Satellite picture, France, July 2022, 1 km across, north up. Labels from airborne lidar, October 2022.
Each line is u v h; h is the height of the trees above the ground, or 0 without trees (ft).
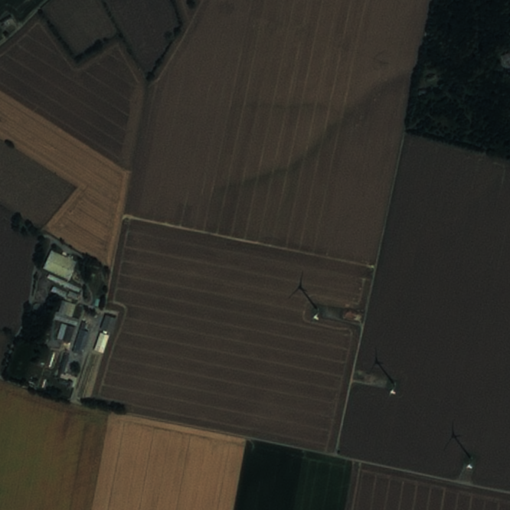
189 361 0
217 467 0
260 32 0
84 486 0
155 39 0
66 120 0
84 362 0
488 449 0
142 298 0
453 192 0
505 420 0
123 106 0
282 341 0
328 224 0
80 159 0
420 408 0
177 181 0
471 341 0
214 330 0
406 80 0
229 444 0
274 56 0
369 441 0
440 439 0
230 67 0
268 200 0
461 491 0
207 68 0
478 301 0
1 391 0
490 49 81
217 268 0
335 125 0
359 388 0
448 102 32
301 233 0
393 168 0
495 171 0
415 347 0
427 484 0
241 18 0
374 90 0
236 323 0
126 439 0
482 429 0
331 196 0
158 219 0
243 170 0
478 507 0
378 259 0
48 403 0
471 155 0
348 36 0
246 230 0
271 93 0
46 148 0
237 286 0
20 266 0
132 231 0
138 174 0
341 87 0
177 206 0
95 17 0
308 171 0
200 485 0
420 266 0
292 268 0
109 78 0
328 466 0
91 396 0
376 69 0
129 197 0
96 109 0
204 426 0
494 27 65
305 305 0
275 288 0
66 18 0
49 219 0
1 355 0
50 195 0
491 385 0
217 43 0
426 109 29
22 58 0
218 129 0
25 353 0
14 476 0
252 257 0
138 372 0
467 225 0
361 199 0
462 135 27
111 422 0
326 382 0
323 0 0
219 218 0
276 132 0
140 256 0
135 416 0
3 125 0
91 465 0
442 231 0
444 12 73
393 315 0
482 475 0
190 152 0
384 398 0
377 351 0
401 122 0
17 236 0
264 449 0
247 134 0
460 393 0
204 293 0
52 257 0
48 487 0
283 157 0
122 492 0
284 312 0
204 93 0
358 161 0
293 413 0
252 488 0
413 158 0
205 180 0
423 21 0
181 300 0
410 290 0
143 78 0
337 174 0
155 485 0
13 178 0
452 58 75
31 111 0
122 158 0
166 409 0
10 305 0
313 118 0
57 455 0
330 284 0
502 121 32
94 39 0
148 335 0
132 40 0
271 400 0
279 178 0
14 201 0
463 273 0
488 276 0
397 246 0
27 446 0
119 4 0
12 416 0
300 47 0
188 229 0
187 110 0
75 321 0
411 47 0
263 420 0
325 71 0
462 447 0
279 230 0
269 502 0
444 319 0
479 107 27
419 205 0
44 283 0
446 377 0
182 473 0
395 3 0
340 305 0
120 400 0
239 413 0
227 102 0
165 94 0
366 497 0
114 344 0
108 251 0
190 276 0
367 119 0
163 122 0
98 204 0
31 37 0
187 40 0
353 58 0
